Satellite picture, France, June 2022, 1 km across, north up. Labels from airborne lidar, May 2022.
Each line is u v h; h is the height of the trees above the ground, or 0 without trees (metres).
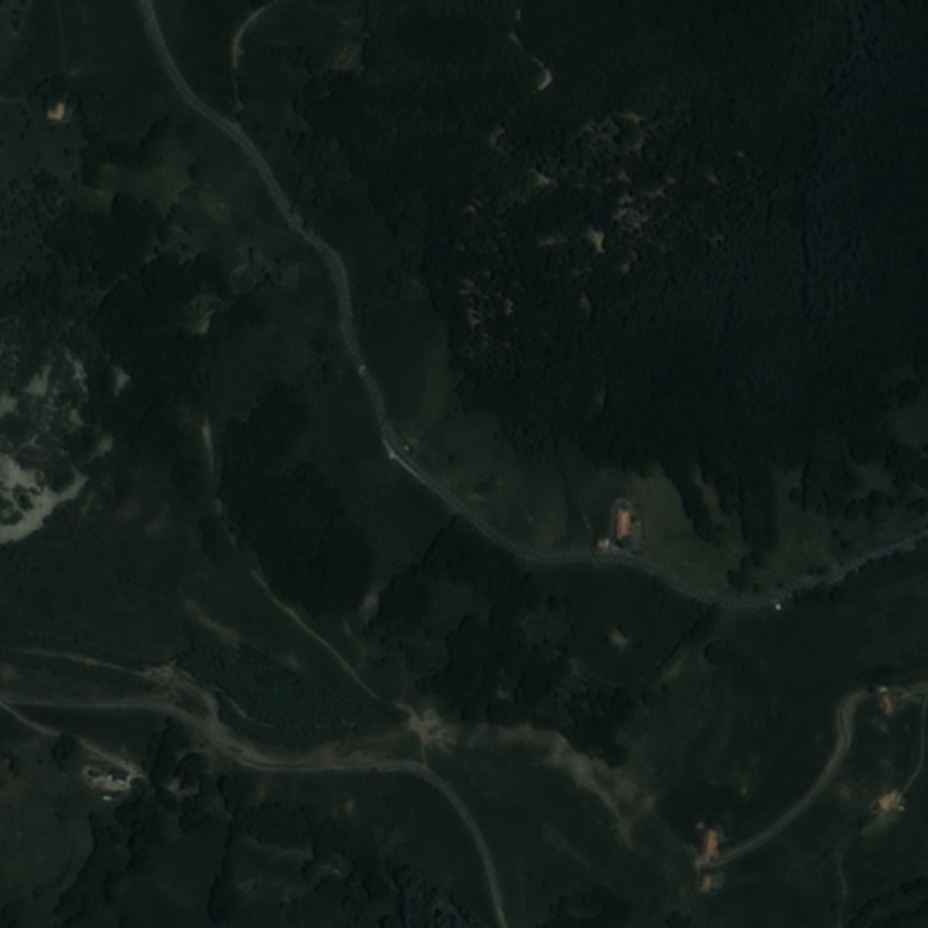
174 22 0
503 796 0
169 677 0
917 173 16
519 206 19
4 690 0
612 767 9
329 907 0
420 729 0
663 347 23
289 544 16
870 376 17
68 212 11
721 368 19
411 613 15
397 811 0
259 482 16
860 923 15
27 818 0
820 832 0
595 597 0
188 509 0
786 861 0
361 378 0
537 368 24
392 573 0
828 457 22
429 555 14
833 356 29
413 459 0
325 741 8
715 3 17
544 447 15
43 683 0
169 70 0
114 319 16
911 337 22
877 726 0
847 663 0
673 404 22
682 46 14
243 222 0
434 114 19
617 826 0
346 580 15
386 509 0
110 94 0
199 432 0
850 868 0
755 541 16
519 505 0
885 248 19
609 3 14
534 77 8
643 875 0
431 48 17
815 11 25
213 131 0
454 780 0
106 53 0
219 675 10
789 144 20
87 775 0
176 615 0
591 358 20
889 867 0
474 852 0
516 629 11
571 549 0
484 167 22
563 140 20
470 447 0
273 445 17
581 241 22
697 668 0
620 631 7
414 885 23
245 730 9
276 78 0
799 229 26
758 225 27
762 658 0
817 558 0
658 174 22
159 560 0
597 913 8
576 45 14
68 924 12
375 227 0
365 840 0
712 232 24
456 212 19
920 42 26
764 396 20
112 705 0
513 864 0
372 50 14
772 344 24
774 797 0
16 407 0
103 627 0
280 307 0
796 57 25
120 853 0
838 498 15
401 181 20
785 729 0
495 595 14
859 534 0
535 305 18
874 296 23
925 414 0
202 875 0
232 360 0
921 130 23
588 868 0
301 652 0
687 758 0
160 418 13
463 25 16
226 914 25
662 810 0
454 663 12
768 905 0
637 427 19
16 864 0
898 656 0
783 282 19
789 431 17
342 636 0
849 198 20
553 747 0
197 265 18
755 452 20
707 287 22
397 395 0
